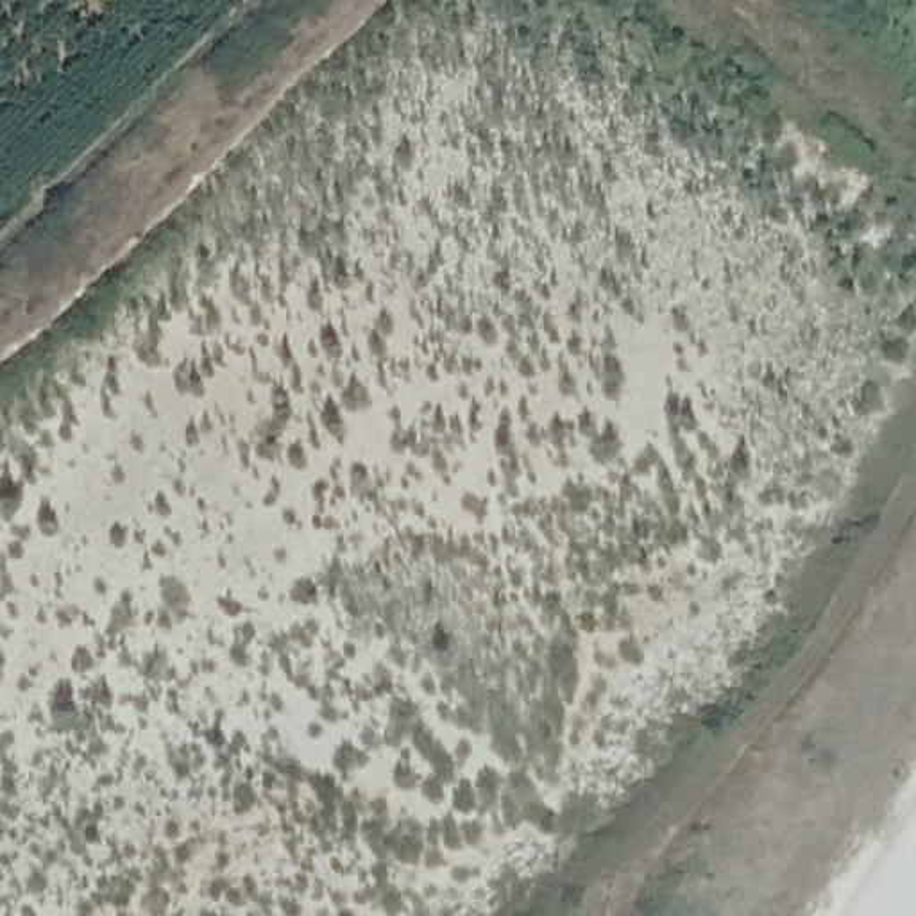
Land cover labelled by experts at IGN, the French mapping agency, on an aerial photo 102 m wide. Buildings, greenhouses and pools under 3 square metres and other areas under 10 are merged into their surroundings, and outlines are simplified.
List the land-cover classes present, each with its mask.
<instances>
[{"label":"herbaceous vegetation","instance_id":"1","mask_svg":"<svg viewBox=\"0 0 916 916\"><path fill-rule=\"evenodd\" d=\"M386 0H336L322 18H301L293 25L290 47L272 61V72L254 75L236 93H218L215 79L204 72H197L193 82H186V89L175 93V100L157 118L143 111L129 125H122L64 182L75 193L68 211L75 215L79 233L61 254H54L50 279L32 272L0 276V347L14 344L25 329H32L36 311L43 304L57 301L64 290L75 286L79 276L89 272V258H115L129 240L136 243L147 233V215H154L175 193V186L186 175L200 172L208 179L204 186L211 190V200H204V218L186 233V243L165 247L136 283H122L115 322H107V329L97 340H72L57 347L54 369H36L25 383V397H14L11 411H0V598L14 590L11 562L21 558L29 537L57 530V519L39 522V515L21 526L14 508L21 501V490L36 479V454L43 447H54L43 419H61V440H72V394L75 386H82V365L93 361L104 369L100 411L115 415L118 354L122 347H132L140 361L157 365L161 326L186 301V258H197L200 265L197 283L211 286L215 265L229 254V290L236 301H243L250 326H258L265 315L250 301L243 261H254V276H261L265 233L279 236V283L290 286L293 272L308 258L322 265V272L308 283L311 311L322 304L329 290L347 286V197L354 193L358 179H372L379 200L404 204V168L411 165V140H397L390 175H383V165H369V147L383 140L386 111H394L401 122H426L440 72H479L465 104H451L447 111H440L444 147L469 154L465 175L447 186V197L454 204L451 222L437 215L429 197L419 200V215H426L437 229L426 265H419L415 254L404 247L401 222L394 218V211H379L376 225L361 233L365 243H386L390 265L415 283L408 290V318L415 322V351L411 358L390 361L394 376L426 372V379H437L447 372H476L479 358L454 354L462 340L469 333H479L490 344L497 333H508V358L522 376L547 372L558 379L562 394H573L576 379L565 369V361L576 354L590 365V372L601 376L605 397H619L623 365L615 358L612 304L619 301L633 322H644V308L637 304L630 283H640V272L648 268V250L637 247L630 233H623L612 222L608 193L615 179L640 182L651 172L687 175L691 147H683L676 136L658 140L662 154L655 157L644 150L648 122L644 115L623 111L630 82L619 72V61L601 64V82H580L576 54L562 39L565 29L551 21L544 61L530 64V50L508 39L505 18L497 14H479L476 25L465 32L433 25L426 14L411 18L404 7L394 11V21L386 25V89L379 97V115H369L365 107L340 100L336 93H322L318 100L301 97L297 118H286L276 136H268L261 122L286 100V93L297 82L311 75L315 64L333 57L336 47L351 39ZM669 14L673 25L691 29L708 47H734L744 36H751L776 61V82L766 89L784 122L776 150L794 147L798 179L837 186L841 204L855 208L866 222L862 243L880 247L884 265L895 268L902 283L916 279V93L902 97L898 89H891L887 72L873 57H862L852 47L837 43L830 25H819V14L798 11L787 0H651ZM691 215L716 225L712 240H701L694 250H719L723 283L759 276L766 258L784 254L780 283H787L791 297L802 304L805 315V322L798 326L791 344H784L780 354H773L766 365L737 369V379H759L755 390H741V408H730L708 383H698V394H705V411L719 415V422L737 440L734 454L719 451L705 426H698L687 397L666 401L669 444L676 451L683 476L694 483L701 508L680 519L673 476L655 447H644L633 462L619 451L615 426L601 429L590 411H580V419H551L547 426H537L530 401H519L522 429L533 444H573V433L583 429L590 454L605 465V476L619 479V494L605 487L565 483L555 497L526 501L515 479L519 451L512 444V422L505 411L497 419L494 437L505 469V490L497 494L505 512L501 533H469L444 540L437 533L404 530L397 537H386L369 562H329L311 580L293 583V601L340 598L351 615V633L390 637L394 662L404 666L401 640H411L419 648L415 662L437 658L444 691L462 694V708H437L440 719L469 726L476 734H490L494 751L512 762V773L483 769L476 780H465L462 766L469 759V744L458 741L444 751V744L426 730L419 705L408 698L404 683H394L379 666L372 676L358 683L344 673V666L358 655L354 644L336 648L333 640H322L326 676L322 683H315L308 666L290 662V648H311V637L318 630L315 619L276 633L268 648L276 651L283 676L293 687H301L326 719H336L333 687L344 683V698L351 701L386 698L390 730H361V741L336 748V762L326 773L304 769L286 751L279 730H265V791L254 794V769L240 762L247 737L222 734L225 712H215L211 726L204 719L190 723L193 737L211 741L215 766L222 769V780L208 787V798H225L236 805V812H247L254 805H268L279 812L283 844L297 877H279L283 898H268L265 891H258L254 877L229 880V837L222 830H208L197 819L190 823V841H182L179 819H168L165 834L172 837V848H157V827L143 830V844H129L115 834H104V805L79 809V816L50 809L54 823L47 812L39 816L21 809L14 784L18 769L11 755L14 734H0V916H161L168 905L161 884L186 877L190 855L204 844H215L218 852L208 884L211 898H229L236 905L254 902L268 912L283 909V916H351L344 905V891L318 880L315 855L340 848L354 837H365L376 852V884L361 887L358 902L379 905L383 912H401V905L411 902L415 916H494L512 898V887L522 877L512 866H505L494 884L476 891L472 909H426V902L437 898V887L397 891L390 884V866H397L401 859L419 866H440L444 841L451 848H469L479 837L508 834L519 823H533L544 834H555V852L533 844V859H526L537 877L565 862L583 834L612 819V809H598V794H569L562 809H547L533 787L540 780H558L562 708L573 701L576 687L580 633L623 630L633 623L626 608H619V598H633L637 583H615L612 569L648 565L651 551L676 547L683 540H698L701 555L716 562V530H726L744 555H751V544L744 537V501L737 497V487L748 476V444L762 429V422L776 426V444L784 451L812 433L830 440L834 447L805 451L794 462H776L773 483L762 490V501L805 508L809 501L827 497L834 519L877 515L880 522L866 533L862 544H855V562L830 594L819 626L798 644V651L780 669L769 673V683L762 687L755 705L734 726H723L726 748L716 755V766L694 769L669 791V802L651 816L648 830L626 837L633 852L626 866L605 880H594L583 891L573 916H812L816 895L827 891L834 877L848 869V862L866 848V837L873 830L884 827L895 794L902 791L916 762V304L905 290L895 293L884 308L880 293L841 290L830 276L823 240L812 229L798 225L794 215L766 218L748 193H741V186H719L687 197ZM376 748H394L397 787L422 791L429 802H437L440 794L451 798L454 805L447 809V816L433 823H390L386 802L361 794L358 776L351 773L354 766H365ZM394 329V318L390 311H379L369 329V347L376 361V379L386 383L383 358L390 354L386 336ZM222 365V351L211 347L208 354H200V361H179L175 390H204V379H211V372ZM290 422V397L283 386H276L272 415L258 426L261 458H276L279 433ZM476 429H462L458 415H444L440 404L426 401L422 419L411 422V429L404 433H394L390 447L429 458L437 476L451 483L462 462H451L447 454L458 444H472ZM354 483L340 487V462H329V472L311 487L315 530L336 526L333 515H326V505H340L344 497L369 501L372 512L386 522L401 512H426L422 501L386 497L383 490L390 476L372 465H351ZM834 522L787 519V558L780 565L776 583L762 594L766 601L787 608V576H798L812 551L830 544ZM190 598L175 576H165L157 626H175L186 619ZM132 594L125 590L107 619V630L93 644L75 648L72 655L75 669H89L93 662H104L107 651H115L125 669L143 673L140 694L111 691V705H132L136 723L147 730V708L154 701L175 716L182 705L179 698L197 683V676L215 673V662L193 658L190 669H175L165 658V651L132 655ZM719 698L705 687V680L691 691H669L666 705L673 716L698 712L701 705H712ZM633 751L640 759H651L655 769L669 762L673 751L669 723L648 719L633 744ZM175 776H186L190 769L204 766L200 748L179 744L165 751Z\"/></svg>","mask_w":916,"mask_h":916},{"label":"pervious surface","instance_id":"2","mask_svg":"<svg viewBox=\"0 0 916 916\"><path fill-rule=\"evenodd\" d=\"M479 72H440L426 122H401L394 111H386L383 140L369 147V165H383V175H390L397 140H411V165L404 168V204L379 200L372 179H358L354 193L347 197V286L329 290L322 304L311 311L308 283L322 272V265L308 258L293 272L290 286L279 283V236L265 233L261 276H254V261H243L250 301L265 315L258 326H250L243 301H236L229 290V254L215 265L211 286L197 283L200 265L197 258H186V301L161 326L157 365L140 361L132 347H122L118 354L115 415L100 411L104 369L93 361L82 365V386H75L72 394V440H61V419H43L54 447H43L36 454V479L21 490V501L14 508L21 526L39 515V522L57 519V530L29 537L21 558L11 562L14 590L0 598V734H14L11 755L18 769L14 784L21 809L39 816L47 812L54 823L50 809L79 816V809L104 805V834H115L129 844H143V830L157 827V848H172V837L165 834L168 819H179L182 841H190V823L197 819L208 830H222L229 837V880L254 877L258 891H265L268 898H283L279 877H297L283 844L279 812L268 805H254L247 812H236V805L225 798H208V787L222 780V769L215 766L211 741L193 737L190 723L204 719L211 726L215 712H225L222 734L247 737L240 762L254 769V794L265 791V730H279L286 751L304 769L326 773L336 762V748L361 741V730H390L386 698L351 701L344 698V683L333 687L336 719H326L301 687H293L283 676L276 651L268 648L276 633L315 619L318 630L311 637V648H290V662L308 666L315 683H322L326 676L322 640H333L336 648L354 644L358 655L344 666V673L358 683L372 676L379 666L394 683H404L408 698L419 705L426 730L444 744V751L458 741L469 744V759L462 766L465 780H476L483 769L512 773V762L494 751L490 734H476L469 726L440 719L437 708H462V694L444 691L437 658L415 662L419 648L411 640H401L404 666L394 662L390 637L351 633V615L340 598L293 601V583L311 580L329 562H369L386 537H397L404 530L437 533L444 540L469 533H501L505 512L497 494L505 490V469L494 437L497 419L505 411L512 422V444L519 451L515 479L526 501L555 497L565 483L605 487L619 494V479L605 476V465L590 454L583 429L573 433V444H533L522 429L519 401H530L537 426H547L551 419H580V411H590L601 429L615 426L619 451L633 462L644 447H655L673 476L680 519L701 508L694 483L683 476L676 451L669 444L666 401L687 397L698 426H705L719 451L734 454L737 440L719 422V415L705 411V394H698V383H708L730 408H741V390H755L759 379H737V369L766 365L773 354H780L784 344H791L798 326L805 322V315L802 304L791 297L787 283H780L784 254L766 258L759 276L723 283L719 250H694L701 240H712L716 225L691 215L687 197V175L651 172L640 182L615 179L608 193L612 222L623 233H630L637 247L648 250V268L640 272V283H630L637 304L644 308V322H633L619 301L612 304L615 358L623 365L619 397H605L601 376L590 372V365L576 354L565 361V369L576 379L573 394H562L558 379L547 372L522 376L508 358V333H497L490 344L479 333H469L462 340L454 354L479 358L476 372H447L437 379H426V372L394 376L390 361L411 358L415 351V322L408 318V290L415 283L390 265L386 243H365L361 233L376 225L379 211H394V218L401 222L404 247L415 254L419 265H426L437 229L426 215H419V200L429 197L437 215L451 222L454 204L447 197V186L465 175L469 154L444 147L440 111H447L451 104H465ZM379 311H390L394 318V329L386 336L390 354L383 358L386 383L376 379V361L369 347V329ZM211 347L222 351V365L211 372V379H204V390H175L179 361H200V354H208ZM276 386H283L290 397V422L279 433L276 458H261L258 426L272 415ZM426 401L440 404L444 415H458L462 429H476L472 444H458L447 454L451 462H462L451 483L437 476L429 458L390 447L394 433H404L411 429V422L422 419ZM329 462H340V487L354 483L351 465H372L390 476L383 490L386 497L422 501L426 512H401L386 522L372 512L369 501L344 497L340 505H326V515H333L336 526L315 530L311 487L329 472ZM165 576H175L190 598L186 619L175 626H157ZM125 590L132 594V655L165 651V658L175 669H190L193 658L215 662V673L197 676V683L179 698L182 705L175 716L154 701L147 708V730L136 723L132 705H111V716L122 723V730L104 737V755L97 762L75 759L68 773L72 791H50L43 798L39 784L50 773V759H39V766H32V751L64 744V734H36L29 712L50 705L57 683L93 687L107 680L111 691L140 694L143 673L125 669L115 651H107L104 662H93L89 669H75L72 655L75 648L93 644L107 630V619ZM179 744L200 748L204 766L190 769L186 776H175L165 751ZM208 179L200 172L186 175L175 186V193L154 215H147V233L172 218V211L193 197L197 186H204ZM136 243L129 240L115 258H89V272L79 276L75 286L64 290L57 301L43 304L36 311L32 329H25L14 344L0 347V365L14 358L25 344L39 340L75 301L86 297V290L111 265L132 254ZM776 426L762 422V429L748 444V476L737 487V497L744 501V537L751 544V555H744L726 530H716V562L701 555L698 540H683L676 547L651 551L648 565L612 569L615 583H637L633 598H619V608H626L633 623L623 630L580 633L576 687L573 701L562 708L558 780H540L533 787L547 809H562L569 794H598V809H612L626 794L630 780H644L655 769L651 759H640L633 751V744L648 719L669 723L673 716L666 705L669 691H691L705 680V687L719 698L726 687L737 683L730 655L744 640H755V630L766 615H784L787 608L766 601L762 594L776 583L780 565L787 558V519L834 522V519L827 497L809 501L805 508L762 501V490L773 483L776 462H794L805 451L834 447L830 440L812 433L784 451L776 444ZM394 748H376L365 766H354L351 773L358 776L361 794L386 802L390 823H433L447 816V809L454 805L451 798L440 794L437 802H429L422 791L397 787ZM812 916H916V762L902 791L895 794L884 827L873 830L866 837V848L848 862V869L834 877L827 891L816 895ZM533 844L555 852V834H544L533 823H519L508 834L479 837L469 848H451L444 841L440 866H419L401 859L397 866H390V884L397 891L437 887V898L426 902V909H472L476 891L494 884L505 866H512L522 877H537L526 859H533ZM376 852L365 837H354L340 848L315 855L318 880L344 891V905L351 916H415L411 902L401 905V912H383L379 905L358 902L361 887L376 884ZM218 852L215 844H204L190 855L186 877L161 884L168 905L161 916H283V909L268 912L254 902L236 905L229 898H211L208 884Z\"/></svg>","mask_w":916,"mask_h":916},{"label":"brushwood","instance_id":"3","mask_svg":"<svg viewBox=\"0 0 916 916\"><path fill-rule=\"evenodd\" d=\"M336 0H261V7L247 11L236 25L218 18L204 29L211 36V43L200 50L208 64L204 72L215 79L218 93H236L254 75L272 72V61L290 47L293 25L301 18H322ZM404 7L411 18L426 14L433 25L465 32L476 25L479 14H497L505 18L508 39L530 50V64L544 61L551 21L565 29L562 39L576 54L580 82H601V64L619 61V72L630 82L623 111L644 115L648 122L644 150L655 157L662 154L658 140L676 136L683 147H691L687 175V197L719 186H741V193H748L766 218L794 215L798 225L812 229L823 240L830 276L841 290L880 293L884 308L895 293L905 290L916 304V279L902 283L895 268L884 265L880 247L862 243L866 222L855 208L841 204L837 186L798 179L794 147L776 150L784 122L766 89L776 82V61L751 36H744L734 47H708L691 29L673 25L669 14L651 0H386L351 39L336 47L333 57L315 64L311 75L297 82L286 93V100L261 122L268 136H276L286 118H297L301 97L318 100L322 93H336L340 100L365 107L369 115H379V97L386 89V25L394 21V11ZM798 11L819 14V25H830L837 43L852 47L862 57H873L887 72L891 89H898L902 97L916 93V0H787ZM75 193L64 182L50 186L43 208L0 243V276L32 272L50 279L54 254H61L79 233L75 215L68 211ZM204 200H211V190L204 186H197L193 197L172 211V218L147 233L136 243L132 254L111 265L86 290V297L75 301L39 340L25 344L14 358L0 365V411H11L14 397H25V383L36 369H54L57 347L72 340H97L107 329V322H115L122 283H136L165 247L186 243V233L204 218ZM880 522L877 515L834 519V522L830 544L812 551L798 576H787V608L784 615H766L755 630V640H744L730 655L737 683L726 687L719 698L712 705H701L698 712L673 716L669 723L673 751L669 762L655 769L644 780H630L626 794L612 809V819L583 834L565 862L537 877H522L512 887V898L494 916H573L583 891L594 880H605L626 866L633 852L626 837L648 830L651 816L669 802V791L694 769L716 766V755L726 748L723 726H734L755 705L762 687L769 683V673L780 669L798 651V644L819 626L830 594L855 562V544H862L866 533ZM36 734H64V744L32 751V766H39V759H50V773L39 784L43 798L50 791H72L68 773L75 759L97 762L104 755V737L122 730V723L111 716V691L107 680L93 687L57 683L50 705L29 712Z\"/></svg>","mask_w":916,"mask_h":916},{"label":"agricultural land","instance_id":"4","mask_svg":"<svg viewBox=\"0 0 916 916\"><path fill-rule=\"evenodd\" d=\"M261 7V0H0V243L43 208L50 186L64 182L122 125H129L143 111L157 118L175 100V93L186 89V82H193L197 72H204L208 64L200 50L211 43V36L204 29L218 18L236 25L247 11Z\"/></svg>","mask_w":916,"mask_h":916}]
</instances>
